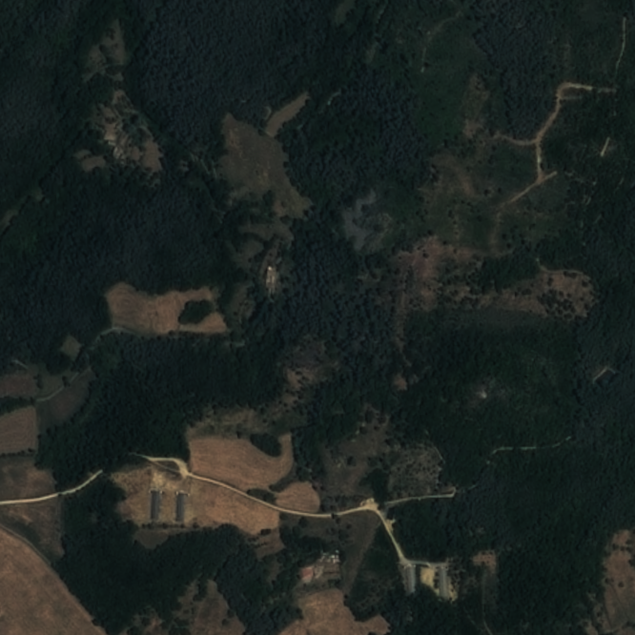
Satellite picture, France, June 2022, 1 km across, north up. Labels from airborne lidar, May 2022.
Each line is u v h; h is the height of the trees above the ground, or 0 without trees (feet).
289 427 0
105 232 60
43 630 0
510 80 70
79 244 50
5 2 33
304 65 53
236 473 0
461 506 26
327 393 57
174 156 52
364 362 37
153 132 34
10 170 69
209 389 40
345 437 35
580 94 29
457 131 0
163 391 59
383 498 24
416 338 31
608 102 20
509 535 63
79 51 67
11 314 31
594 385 65
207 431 0
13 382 0
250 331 32
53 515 0
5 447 0
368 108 52
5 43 73
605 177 43
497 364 24
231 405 37
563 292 27
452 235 0
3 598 0
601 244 63
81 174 52
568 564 46
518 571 32
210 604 0
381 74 84
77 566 54
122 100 19
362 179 33
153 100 65
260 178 0
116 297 0
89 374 0
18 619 0
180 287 58
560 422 24
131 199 52
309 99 38
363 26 58
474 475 38
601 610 22
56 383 0
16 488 0
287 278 39
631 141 39
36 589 0
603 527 44
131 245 50
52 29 32
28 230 58
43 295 52
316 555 35
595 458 32
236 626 0
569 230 27
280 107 28
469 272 0
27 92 51
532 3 83
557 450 27
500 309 0
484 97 0
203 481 0
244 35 67
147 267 56
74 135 25
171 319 0
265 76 59
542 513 39
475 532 70
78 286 46
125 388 24
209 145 46
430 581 0
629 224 51
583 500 31
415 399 45
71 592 35
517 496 26
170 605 23
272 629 49
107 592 55
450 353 48
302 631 0
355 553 0
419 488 0
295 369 39
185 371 62
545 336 33
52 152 62
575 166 20
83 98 45
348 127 32
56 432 27
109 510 45
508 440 25
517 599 48
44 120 58
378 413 32
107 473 44
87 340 43
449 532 58
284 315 43
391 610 30
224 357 29
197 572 53
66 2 57
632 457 35
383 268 43
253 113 62
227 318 22
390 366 23
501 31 60
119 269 52
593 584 48
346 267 59
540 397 22
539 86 78
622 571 0
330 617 0
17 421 0
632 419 62
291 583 35
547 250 50
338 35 39
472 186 0
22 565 0
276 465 0
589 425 71
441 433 44
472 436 43
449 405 40
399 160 53
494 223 0
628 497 64
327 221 30
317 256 67
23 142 40
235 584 71
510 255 31
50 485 0
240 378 33
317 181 45
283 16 73
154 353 78
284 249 23
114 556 52
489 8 72
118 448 61
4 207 72
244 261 0
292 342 43
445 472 35
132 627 29
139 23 56
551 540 58
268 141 0
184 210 58
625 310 70
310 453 49
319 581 0
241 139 0
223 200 53
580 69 36
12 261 74
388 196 26
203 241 39
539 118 75
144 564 52
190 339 40
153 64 70
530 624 49
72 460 43
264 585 64
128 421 61
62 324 46
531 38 52
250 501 0
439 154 22
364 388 46
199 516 0
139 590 64
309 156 39
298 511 0
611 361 77
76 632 0
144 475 0
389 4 31
